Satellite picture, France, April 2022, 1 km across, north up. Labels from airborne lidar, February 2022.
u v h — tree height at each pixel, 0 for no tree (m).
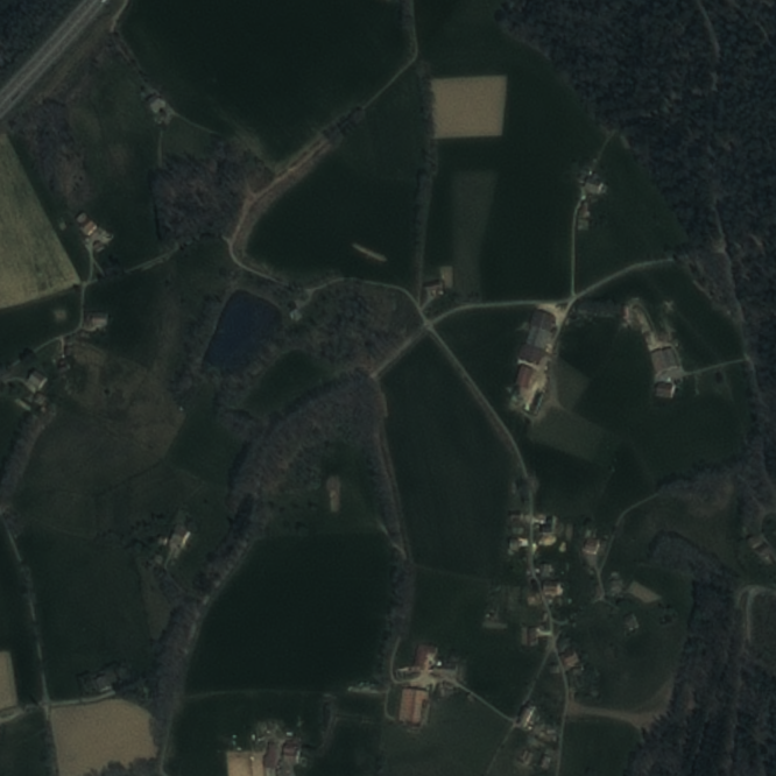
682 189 12
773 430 21
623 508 0
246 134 0
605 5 9
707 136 36
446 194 0
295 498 0
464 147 0
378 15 0
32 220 0
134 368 0
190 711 0
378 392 24
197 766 0
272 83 0
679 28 34
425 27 0
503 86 0
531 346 0
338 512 0
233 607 0
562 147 0
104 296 0
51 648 0
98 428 0
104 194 0
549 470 0
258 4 0
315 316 0
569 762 0
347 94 0
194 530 13
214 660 0
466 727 0
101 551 0
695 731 23
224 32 0
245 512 10
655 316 0
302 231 0
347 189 0
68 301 0
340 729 0
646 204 0
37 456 0
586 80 35
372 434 29
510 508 0
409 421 0
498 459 0
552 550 0
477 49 0
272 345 0
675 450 0
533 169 0
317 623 0
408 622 18
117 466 0
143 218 0
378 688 13
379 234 0
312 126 0
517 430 0
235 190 32
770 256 10
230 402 24
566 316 0
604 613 0
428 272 0
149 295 0
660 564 20
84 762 0
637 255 0
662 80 15
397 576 15
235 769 0
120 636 0
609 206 0
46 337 0
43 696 0
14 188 0
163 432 0
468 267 0
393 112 0
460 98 0
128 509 0
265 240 0
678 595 0
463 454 0
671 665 0
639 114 18
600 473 0
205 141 0
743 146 29
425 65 0
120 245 0
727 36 18
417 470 0
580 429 0
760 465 32
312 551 0
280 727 0
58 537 0
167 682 25
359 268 0
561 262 0
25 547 0
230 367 0
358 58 0
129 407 0
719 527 0
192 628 26
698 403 0
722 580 32
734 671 24
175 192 29
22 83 0
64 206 0
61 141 33
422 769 0
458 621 0
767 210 38
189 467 0
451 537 0
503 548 0
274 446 28
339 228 0
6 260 0
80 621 0
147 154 0
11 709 0
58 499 0
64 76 0
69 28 0
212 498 0
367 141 0
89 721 0
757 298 19
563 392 0
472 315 0
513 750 0
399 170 0
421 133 0
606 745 0
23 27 21
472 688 0
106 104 0
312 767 0
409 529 0
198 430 0
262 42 0
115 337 0
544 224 0
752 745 31
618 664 0
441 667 0
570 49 17
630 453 0
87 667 0
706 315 0
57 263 0
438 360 0
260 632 0
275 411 0
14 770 0
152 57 0
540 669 0
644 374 0
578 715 0
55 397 8
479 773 0
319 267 0
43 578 0
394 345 26
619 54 38
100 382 0
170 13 0
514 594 0
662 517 0
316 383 0
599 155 0
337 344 21
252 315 0
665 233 0
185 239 23
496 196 0
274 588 0
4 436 0
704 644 22
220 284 0
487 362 0
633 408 0
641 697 0
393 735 0
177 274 0
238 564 19
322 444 19
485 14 0
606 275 0
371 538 0
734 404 0
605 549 0
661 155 20
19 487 19
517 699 0
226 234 28
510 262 0
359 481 0
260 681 0
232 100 0
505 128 0
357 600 0
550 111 0
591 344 0
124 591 0
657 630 0
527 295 0
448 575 0
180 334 0
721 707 21
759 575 0
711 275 27
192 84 0
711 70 18
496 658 0
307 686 0
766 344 21
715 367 0
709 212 10
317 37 0
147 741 0
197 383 22
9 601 0
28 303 0
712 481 30
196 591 8
